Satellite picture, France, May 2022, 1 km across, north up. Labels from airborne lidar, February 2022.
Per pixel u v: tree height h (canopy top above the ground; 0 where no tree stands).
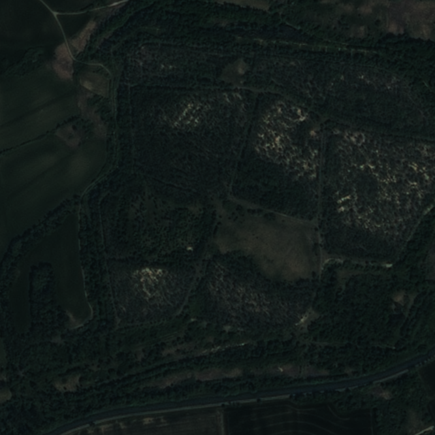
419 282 11
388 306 16
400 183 8
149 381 8
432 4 0
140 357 0
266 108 11
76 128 16
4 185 0
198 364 10
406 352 8
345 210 0
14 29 0
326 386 0
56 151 0
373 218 6
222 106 9
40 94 0
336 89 10
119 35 13
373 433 0
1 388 12
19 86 0
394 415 13
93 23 0
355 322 10
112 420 0
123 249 20
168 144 16
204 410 0
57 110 0
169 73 0
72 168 0
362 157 11
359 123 16
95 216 12
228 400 0
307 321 0
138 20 14
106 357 0
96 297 21
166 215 6
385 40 14
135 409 0
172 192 9
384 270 6
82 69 5
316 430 0
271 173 18
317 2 10
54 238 0
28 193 0
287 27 15
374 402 6
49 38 0
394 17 0
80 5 0
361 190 11
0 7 0
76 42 0
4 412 8
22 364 10
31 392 0
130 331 15
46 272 6
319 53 6
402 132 15
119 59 9
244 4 0
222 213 0
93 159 0
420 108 11
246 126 0
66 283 0
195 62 0
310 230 0
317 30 10
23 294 0
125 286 11
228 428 0
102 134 0
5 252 0
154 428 0
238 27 6
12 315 17
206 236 14
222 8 13
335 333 6
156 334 16
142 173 10
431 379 0
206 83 15
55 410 17
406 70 10
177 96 9
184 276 9
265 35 14
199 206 0
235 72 0
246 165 20
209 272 12
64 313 17
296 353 10
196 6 17
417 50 20
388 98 13
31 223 0
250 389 16
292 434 0
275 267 0
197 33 11
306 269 0
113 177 8
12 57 0
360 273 0
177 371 11
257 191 21
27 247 18
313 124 0
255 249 0
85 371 10
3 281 22
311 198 11
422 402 9
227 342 7
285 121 8
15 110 0
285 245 0
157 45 10
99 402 18
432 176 9
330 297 17
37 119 0
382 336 5
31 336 11
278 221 0
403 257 11
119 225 10
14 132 0
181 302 10
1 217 0
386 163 9
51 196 0
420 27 0
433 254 0
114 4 0
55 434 0
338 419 0
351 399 18
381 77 8
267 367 9
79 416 10
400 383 15
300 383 9
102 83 0
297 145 10
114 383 15
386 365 13
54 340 0
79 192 0
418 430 0
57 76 0
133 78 10
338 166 9
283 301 11
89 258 18
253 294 0
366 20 0
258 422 0
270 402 0
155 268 12
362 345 17
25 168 0
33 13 0
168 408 0
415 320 9
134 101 15
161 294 8
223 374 0
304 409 0
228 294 11
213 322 13
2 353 0
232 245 0
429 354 0
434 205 8
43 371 14
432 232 11
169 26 16
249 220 0
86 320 0
